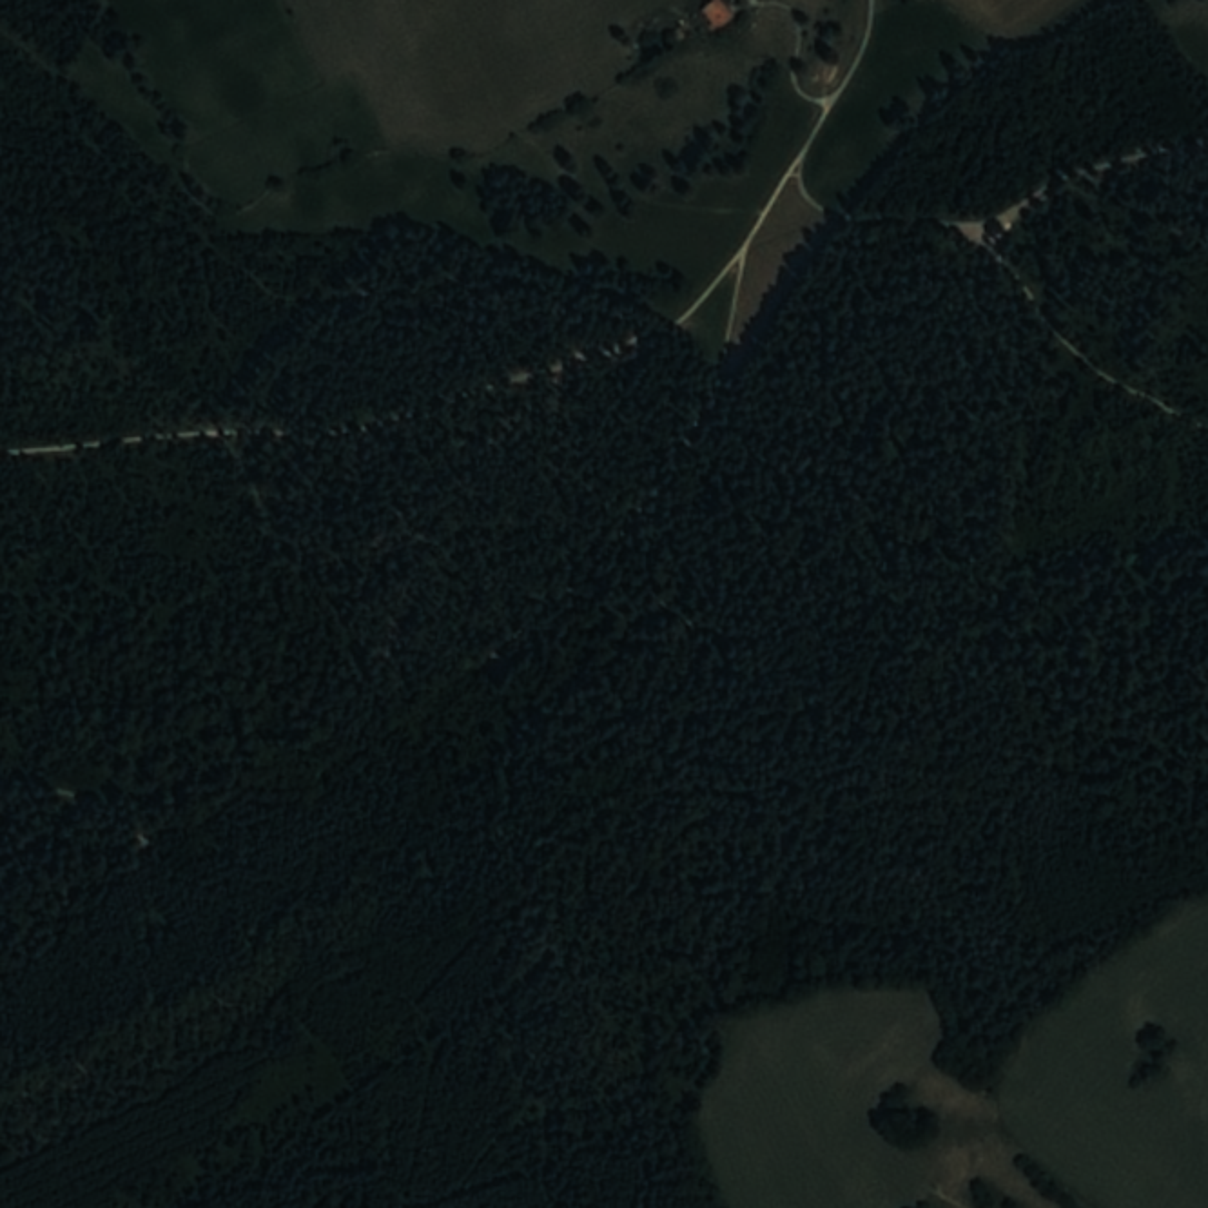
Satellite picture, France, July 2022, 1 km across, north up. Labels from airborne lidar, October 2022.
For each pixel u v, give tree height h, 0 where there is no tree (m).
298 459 7
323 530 37
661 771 17
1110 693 22
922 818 30
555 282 43
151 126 0
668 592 17
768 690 36
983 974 28
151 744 19
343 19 0
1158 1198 0
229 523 9
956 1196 0
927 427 36
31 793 33
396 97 0
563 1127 32
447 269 40
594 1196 18
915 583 35
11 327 41
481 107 0
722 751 33
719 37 11
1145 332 38
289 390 40
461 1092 20
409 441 35
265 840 23
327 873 17
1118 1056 0
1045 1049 0
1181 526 9
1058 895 12
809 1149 0
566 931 7
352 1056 8
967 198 16
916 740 28
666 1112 11
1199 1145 0
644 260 0
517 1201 25
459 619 35
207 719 25
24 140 11
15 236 33
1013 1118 0
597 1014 19
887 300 32
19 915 34
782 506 40
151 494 8
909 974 22
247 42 0
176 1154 14
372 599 34
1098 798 12
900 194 25
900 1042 0
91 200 20
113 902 26
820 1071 0
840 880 32
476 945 19
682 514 36
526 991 31
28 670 11
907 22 0
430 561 29
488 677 8
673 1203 25
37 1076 14
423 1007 14
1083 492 6
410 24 0
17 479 12
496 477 32
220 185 0
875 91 0
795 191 0
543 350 35
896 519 35
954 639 38
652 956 17
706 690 31
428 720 8
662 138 0
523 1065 21
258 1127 8
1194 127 9
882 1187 0
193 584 16
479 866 23
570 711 25
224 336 14
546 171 0
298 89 0
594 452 35
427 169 0
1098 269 41
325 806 25
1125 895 10
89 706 14
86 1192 14
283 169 0
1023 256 17
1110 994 0
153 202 6
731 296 0
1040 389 41
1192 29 0
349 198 0
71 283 36
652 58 22
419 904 22
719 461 36
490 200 29
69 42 11
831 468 39
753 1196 0
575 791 9
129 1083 22
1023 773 14
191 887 25
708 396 39
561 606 26
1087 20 15
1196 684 22
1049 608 19
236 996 11
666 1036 27
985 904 33
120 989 20
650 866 27
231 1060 16
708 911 30
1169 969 0
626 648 10
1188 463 11
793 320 42
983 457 15
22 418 13
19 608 22
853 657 36
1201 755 30
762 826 35
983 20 0
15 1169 17
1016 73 20
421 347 41
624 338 36
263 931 16
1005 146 12
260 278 10
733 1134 0
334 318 38
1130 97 13
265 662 19
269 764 24
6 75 10
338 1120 7
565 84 0
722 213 0
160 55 0
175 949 20
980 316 42
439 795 18
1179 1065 0
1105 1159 0
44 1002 22
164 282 17
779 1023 0
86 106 12
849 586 35
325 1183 26
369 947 13
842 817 33
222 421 36
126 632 22
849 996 0
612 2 0
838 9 0
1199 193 41
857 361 39
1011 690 26
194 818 26
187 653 25
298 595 18
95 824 32
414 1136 13
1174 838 18
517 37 0
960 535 39
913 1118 20
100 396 15
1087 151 6
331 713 22
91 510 13
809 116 0
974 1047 25
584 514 35
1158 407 8
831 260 34
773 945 20
